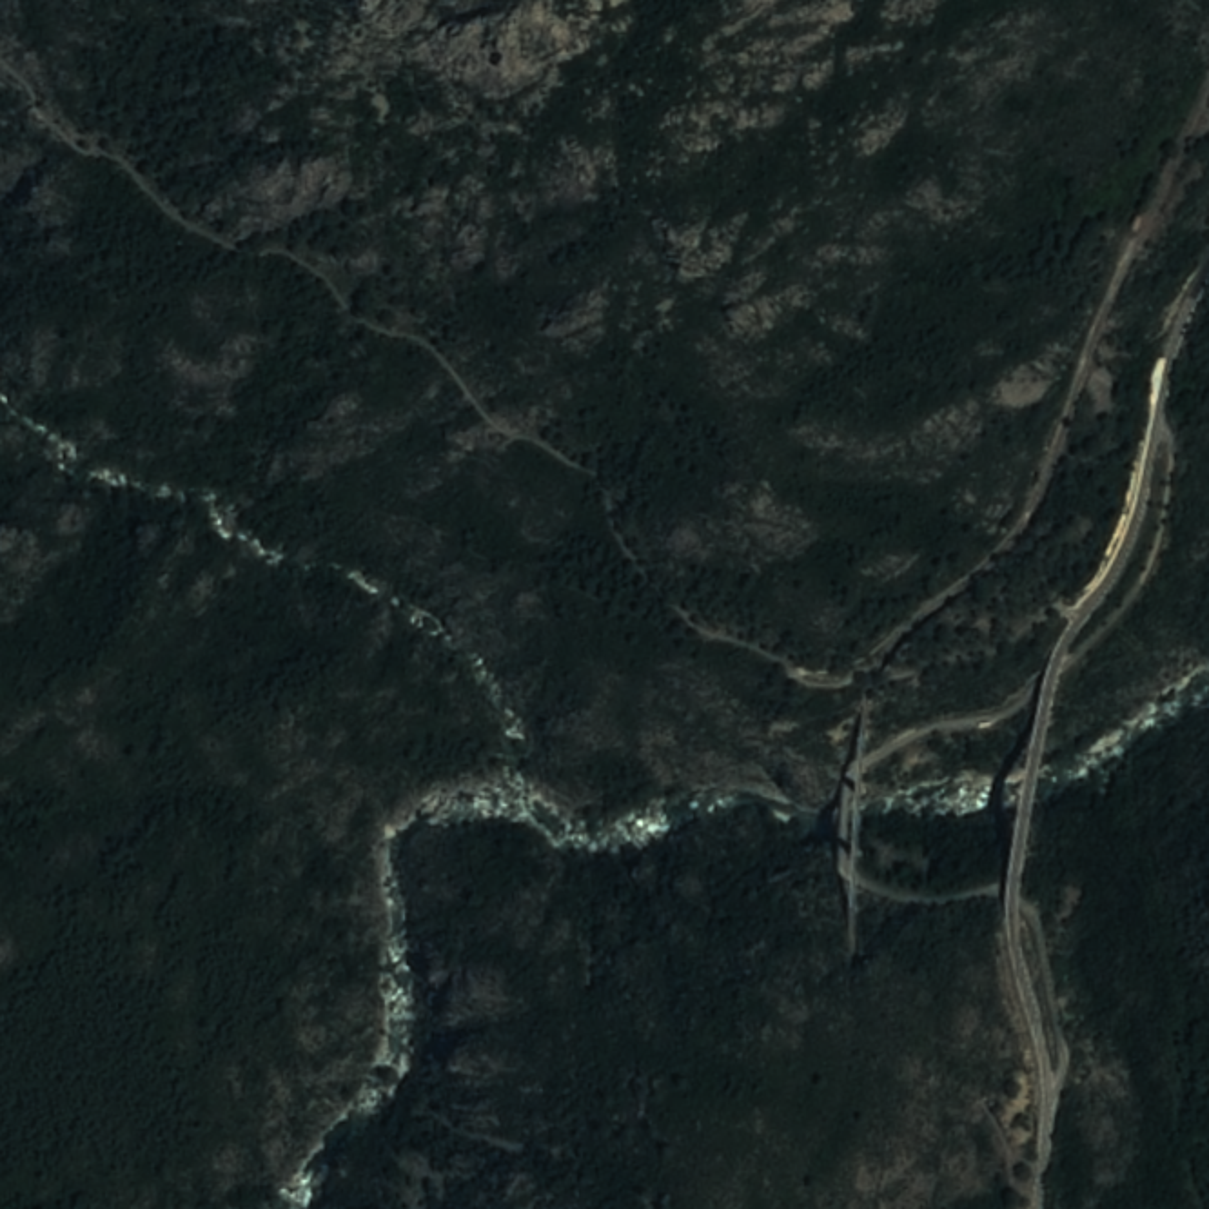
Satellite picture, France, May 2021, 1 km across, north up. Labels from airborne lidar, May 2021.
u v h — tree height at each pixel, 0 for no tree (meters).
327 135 6
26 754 7
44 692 14
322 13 6
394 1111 12
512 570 18
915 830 16
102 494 15
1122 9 5
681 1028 8
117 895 12
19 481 8
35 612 6
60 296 9
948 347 9
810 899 6
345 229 16
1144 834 16
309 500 6
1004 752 6
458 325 14
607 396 6
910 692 18
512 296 14
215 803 13
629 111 10
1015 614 20
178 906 8
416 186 10
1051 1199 7
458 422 6
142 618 7
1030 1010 0
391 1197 8
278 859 12
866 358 11
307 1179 0
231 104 9
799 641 14
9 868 8
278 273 18
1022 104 6
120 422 9
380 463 6
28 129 11
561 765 5
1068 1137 13
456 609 6
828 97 6
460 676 8
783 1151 0
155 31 11
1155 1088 19
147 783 6
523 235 6
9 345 9
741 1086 9
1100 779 11
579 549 7
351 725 7
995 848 12
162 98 7
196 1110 11
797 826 22
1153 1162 22
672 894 9
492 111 9
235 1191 7
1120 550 0
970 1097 0
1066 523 8
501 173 10
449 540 6
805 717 21
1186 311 0
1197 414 11
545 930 9
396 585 10
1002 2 6
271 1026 23
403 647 8
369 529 6
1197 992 17
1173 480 9
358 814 7
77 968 16
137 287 12
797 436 0
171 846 7
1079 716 6
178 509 12
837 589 15
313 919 10
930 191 0
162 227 15
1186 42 6
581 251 20
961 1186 0
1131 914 15
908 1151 0
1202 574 6
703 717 5
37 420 14
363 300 21
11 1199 6
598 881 8
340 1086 14
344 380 19
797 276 0
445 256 7
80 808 7
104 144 15
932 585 22
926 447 0
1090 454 21
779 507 0
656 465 5
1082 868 18
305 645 6
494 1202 9
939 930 6
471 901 18
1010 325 20
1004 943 0
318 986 7
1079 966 8
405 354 6
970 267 17
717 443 12
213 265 17
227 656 6
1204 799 15
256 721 9
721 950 6
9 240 6
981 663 18
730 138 8
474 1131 9
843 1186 0
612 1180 6
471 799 0
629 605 9
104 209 9
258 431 10
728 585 15
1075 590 19
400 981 0
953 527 11
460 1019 7
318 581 14
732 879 9
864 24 11
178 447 15
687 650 16
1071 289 16
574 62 6
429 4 7
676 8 11
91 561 12
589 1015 7
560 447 17
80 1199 21
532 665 10
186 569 10
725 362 0
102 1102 19
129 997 18
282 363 14
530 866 10
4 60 0
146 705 6
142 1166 6
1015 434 20
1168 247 8
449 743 15
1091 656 9
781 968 5
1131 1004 17
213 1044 15
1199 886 10
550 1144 6
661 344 12
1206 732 9
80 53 6
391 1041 0
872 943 6
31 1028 17
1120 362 5
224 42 18
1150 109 7
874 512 8
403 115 6
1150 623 9
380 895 0
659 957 6
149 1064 15
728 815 7
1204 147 21
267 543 17
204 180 14
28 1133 18
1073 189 15
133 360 15
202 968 14
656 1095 16
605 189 6
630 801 17
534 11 0
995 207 6
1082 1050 6
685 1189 6
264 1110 8
